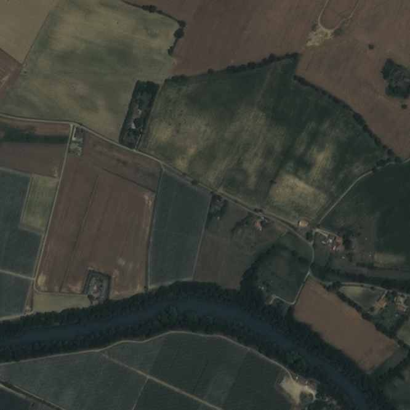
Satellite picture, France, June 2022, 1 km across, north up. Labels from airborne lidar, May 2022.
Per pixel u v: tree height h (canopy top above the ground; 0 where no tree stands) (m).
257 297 21
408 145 0
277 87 0
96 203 0
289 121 0
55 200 0
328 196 0
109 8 0
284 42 0
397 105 0
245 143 0
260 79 0
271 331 0
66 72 0
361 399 0
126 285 0
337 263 0
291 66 0
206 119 0
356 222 0
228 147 0
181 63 0
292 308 14
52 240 0
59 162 0
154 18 0
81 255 0
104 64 0
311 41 0
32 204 0
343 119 0
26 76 0
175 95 0
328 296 0
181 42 0
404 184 0
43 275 0
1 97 0
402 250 0
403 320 6
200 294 9
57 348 23
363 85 0
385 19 0
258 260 9
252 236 0
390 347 0
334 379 0
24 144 0
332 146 0
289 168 0
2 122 0
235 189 0
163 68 0
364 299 0
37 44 0
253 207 0
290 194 0
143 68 0
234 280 0
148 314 0
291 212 0
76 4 0
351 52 0
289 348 0
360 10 0
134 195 0
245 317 0
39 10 0
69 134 0
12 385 16
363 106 0
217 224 0
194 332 14
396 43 0
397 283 13
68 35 0
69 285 0
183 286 18
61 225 0
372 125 0
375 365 0
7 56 0
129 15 0
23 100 0
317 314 0
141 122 16
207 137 0
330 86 0
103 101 0
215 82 0
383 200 0
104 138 0
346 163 0
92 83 0
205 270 0
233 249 0
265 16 0
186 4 0
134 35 0
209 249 0
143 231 0
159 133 0
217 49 0
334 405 9
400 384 0
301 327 19
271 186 0
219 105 0
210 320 25
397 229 0
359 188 0
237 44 0
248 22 0
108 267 0
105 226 0
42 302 0
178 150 0
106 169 0
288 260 0
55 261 0
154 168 0
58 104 0
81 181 0
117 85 0
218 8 0
